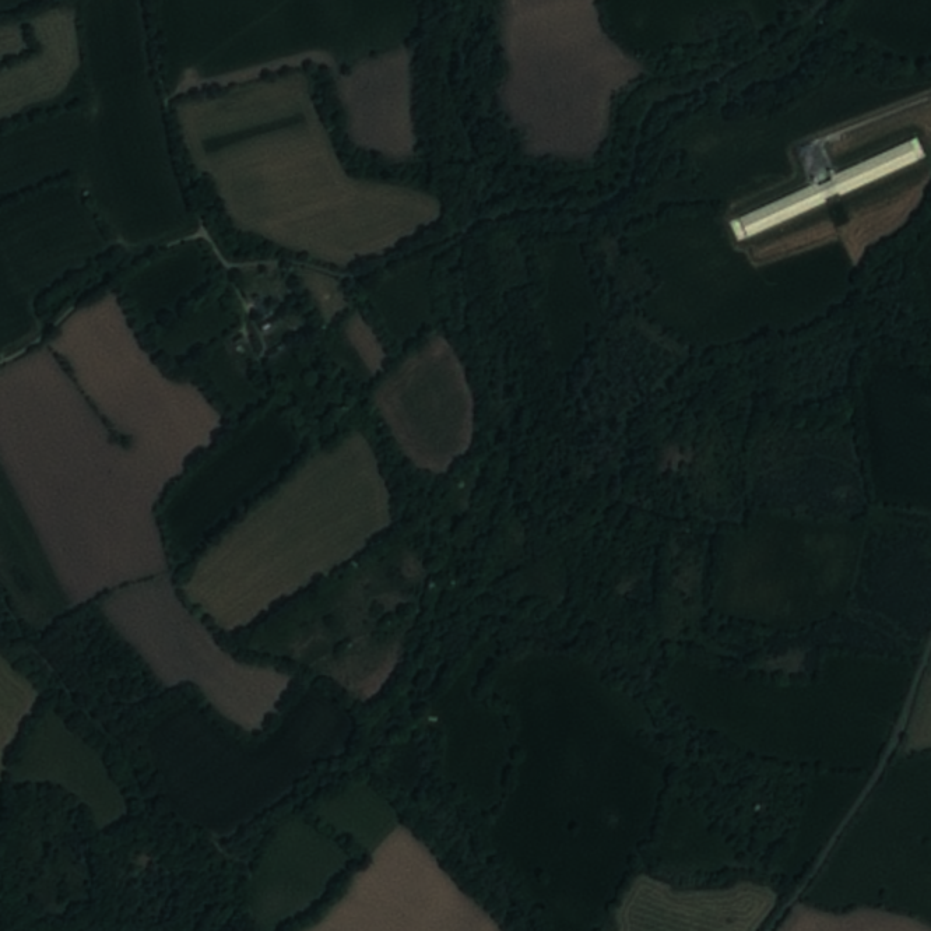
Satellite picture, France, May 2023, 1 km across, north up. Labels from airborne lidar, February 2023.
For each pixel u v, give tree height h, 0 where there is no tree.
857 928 0
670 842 0
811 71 19
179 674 0
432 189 11
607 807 0
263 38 0
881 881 0
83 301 16
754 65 8
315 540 0
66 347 0
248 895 9
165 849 15
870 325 5
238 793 0
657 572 13
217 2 0
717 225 0
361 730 17
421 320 0
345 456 0
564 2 0
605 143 8
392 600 0
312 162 0
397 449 7
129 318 12
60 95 0
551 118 0
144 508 0
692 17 0
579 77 0
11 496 0
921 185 0
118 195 0
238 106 0
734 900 0
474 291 14
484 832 15
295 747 0
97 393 0
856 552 0
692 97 6
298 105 0
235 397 0
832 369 10
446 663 14
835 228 0
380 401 0
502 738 0
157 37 13
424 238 17
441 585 12
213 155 0
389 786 17
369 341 0
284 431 0
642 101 8
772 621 0
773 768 11
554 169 12
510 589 10
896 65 15
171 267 0
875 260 11
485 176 10
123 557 0
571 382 16
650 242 0
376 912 0
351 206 0
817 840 0
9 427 0
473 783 0
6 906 20
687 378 13
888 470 0
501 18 0
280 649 0
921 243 7
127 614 0
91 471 0
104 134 0
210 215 14
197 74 0
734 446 7
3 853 10
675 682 0
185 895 17
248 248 9
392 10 0
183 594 8
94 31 0
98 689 9
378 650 0
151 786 19
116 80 0
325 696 15
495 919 14
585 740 0
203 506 0
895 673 0
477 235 14
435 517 11
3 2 0
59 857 8
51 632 14
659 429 18
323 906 13
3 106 0
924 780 0
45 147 0
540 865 0
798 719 0
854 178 0
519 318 14
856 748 0
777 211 0
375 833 0
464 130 14
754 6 0
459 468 17
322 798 18
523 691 0
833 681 0
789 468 0
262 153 0
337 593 0
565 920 0
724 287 0
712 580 10
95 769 0
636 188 15
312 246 0
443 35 19
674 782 14
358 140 0
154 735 0
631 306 11
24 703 0
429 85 15
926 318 10
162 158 0
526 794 0
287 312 13
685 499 14
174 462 0
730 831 11
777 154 0
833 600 0
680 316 0
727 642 13
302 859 0
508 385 9
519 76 0
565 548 7
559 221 21
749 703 0
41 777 0
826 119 0
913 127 0
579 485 7
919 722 0
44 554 0
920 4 0
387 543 18
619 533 10
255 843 11
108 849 20
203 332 0
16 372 0
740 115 16
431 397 0
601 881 0
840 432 7
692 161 12
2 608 11
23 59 7
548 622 18
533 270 11
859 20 0
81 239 0
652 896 0
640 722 0
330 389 18
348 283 9
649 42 0
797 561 0
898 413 0
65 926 19
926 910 0
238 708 0
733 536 10
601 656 8
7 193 0
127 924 16
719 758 12
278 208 0
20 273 0
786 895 10
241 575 0
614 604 15
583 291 0
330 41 0
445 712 0
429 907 0
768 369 21
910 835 0
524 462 18
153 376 0
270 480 0
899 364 10
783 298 0
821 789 0
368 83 0
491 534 13
